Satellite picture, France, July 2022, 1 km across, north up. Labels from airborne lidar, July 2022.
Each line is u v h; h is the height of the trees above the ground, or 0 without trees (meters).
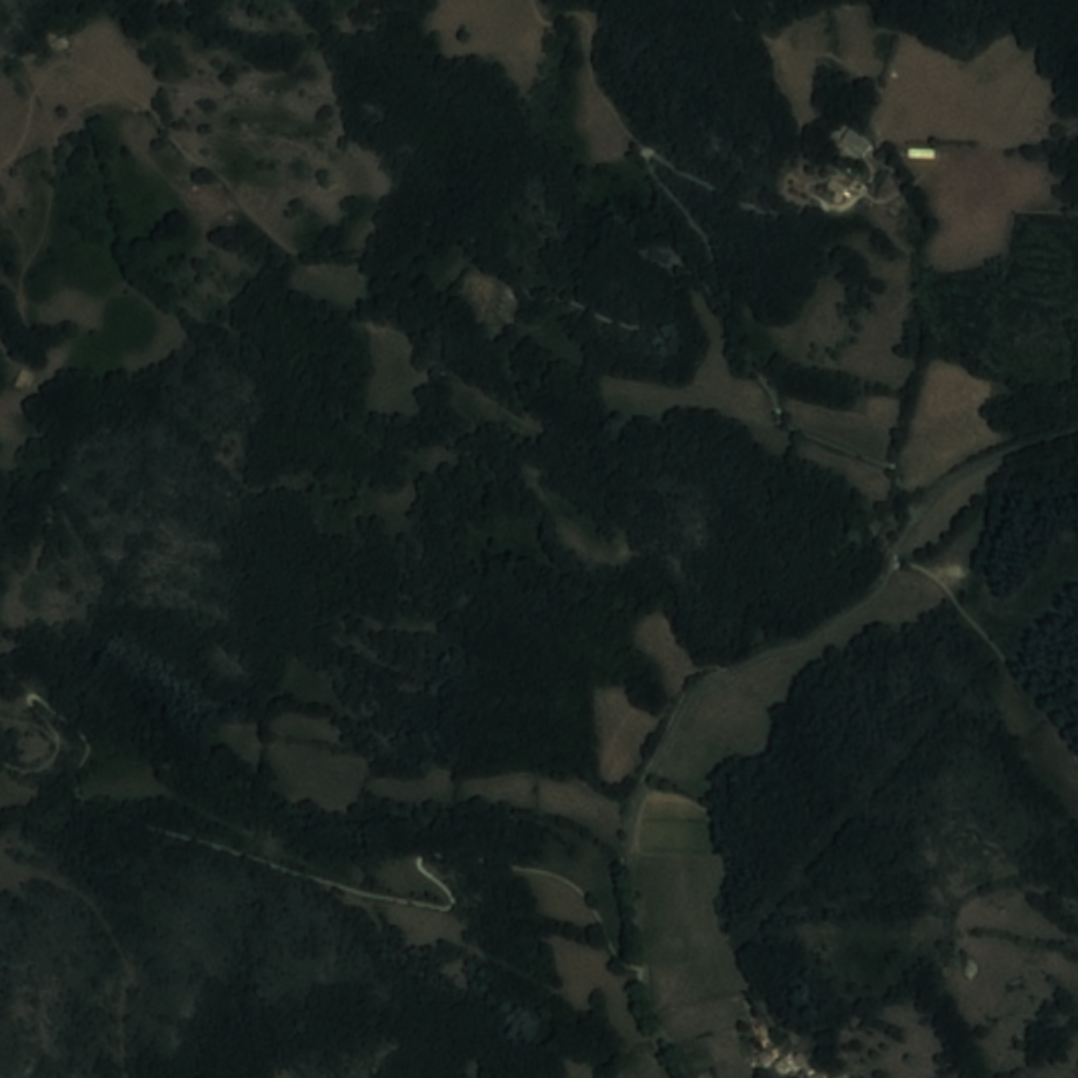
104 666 32
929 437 0
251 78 0
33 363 22
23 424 0
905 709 9
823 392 7
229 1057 18
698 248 16
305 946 8
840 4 17
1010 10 16
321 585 9
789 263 20
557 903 0
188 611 6
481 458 11
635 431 18
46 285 0
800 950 12
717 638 12
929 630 8
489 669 19
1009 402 13
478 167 18
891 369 0
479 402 0
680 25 13
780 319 14
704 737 0
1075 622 19
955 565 0
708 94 11
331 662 11
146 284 21
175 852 14
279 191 0
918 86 0
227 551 10
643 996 25
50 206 0
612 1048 22
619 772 0
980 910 0
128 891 10
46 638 12
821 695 16
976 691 6
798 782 17
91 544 6
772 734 11
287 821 13
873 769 11
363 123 9
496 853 14
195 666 11
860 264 13
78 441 6
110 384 15
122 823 15
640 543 10
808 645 0
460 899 9
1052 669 15
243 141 0
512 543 0
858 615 0
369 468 10
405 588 11
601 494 18
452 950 8
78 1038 8
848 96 16
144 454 8
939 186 0
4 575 6
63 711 12
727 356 11
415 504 11
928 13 13
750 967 18
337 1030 15
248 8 8
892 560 0
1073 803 0
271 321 18
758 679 0
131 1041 7
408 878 0
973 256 0
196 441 12
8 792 0
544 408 13
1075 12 19
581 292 14
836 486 11
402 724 10
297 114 0
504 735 15
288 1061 9
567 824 13
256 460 14
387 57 13
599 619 24
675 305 13
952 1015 14
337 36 11
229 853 6
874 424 0
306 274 0
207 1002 10
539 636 14
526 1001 20
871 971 0
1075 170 13
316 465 9
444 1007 12
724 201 15
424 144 12
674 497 9
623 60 7
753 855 19
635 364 13
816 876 13
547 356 12
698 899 0
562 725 21
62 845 9
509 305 0
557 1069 18
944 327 0
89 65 0
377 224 11
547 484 12
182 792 12
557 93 6
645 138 9
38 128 0
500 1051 19
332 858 12
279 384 17
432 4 8
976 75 0
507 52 0
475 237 13
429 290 23
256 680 12
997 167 0
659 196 16
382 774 8
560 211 12
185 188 0
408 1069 12
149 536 6
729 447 12
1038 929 0
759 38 15
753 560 20
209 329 13
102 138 17
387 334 0
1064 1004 14
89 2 8
